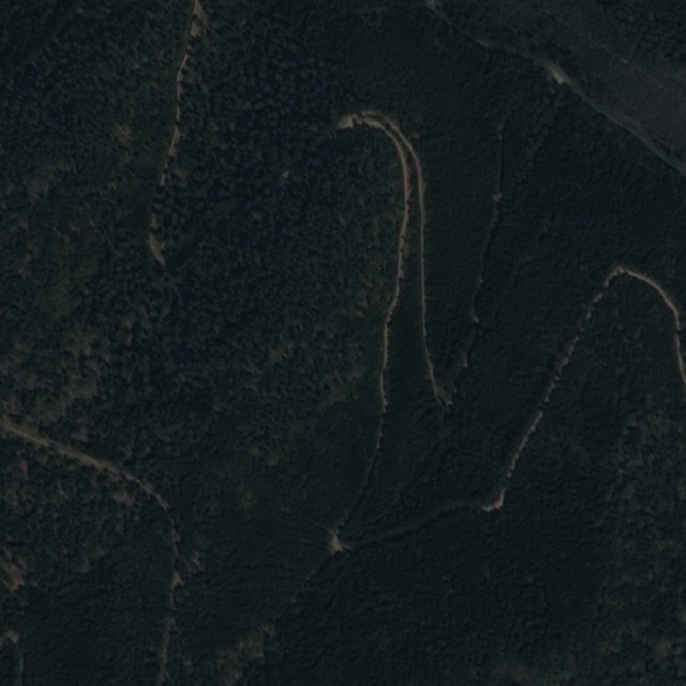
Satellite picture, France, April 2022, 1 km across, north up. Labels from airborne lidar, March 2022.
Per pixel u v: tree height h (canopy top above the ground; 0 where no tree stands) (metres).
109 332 13
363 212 26
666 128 9
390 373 13
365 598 15
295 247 29
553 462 6
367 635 15
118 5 9
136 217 11
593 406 10
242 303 12
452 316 18
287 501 19
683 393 7
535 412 9
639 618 17
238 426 14
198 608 19
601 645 13
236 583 20
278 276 23
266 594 21
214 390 10
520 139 20
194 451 18
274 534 19
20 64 20
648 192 15
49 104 29
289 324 29
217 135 8
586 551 13
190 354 7
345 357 24
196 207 24
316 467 11
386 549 12
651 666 31
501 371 11
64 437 23
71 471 24
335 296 24
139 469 24
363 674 17
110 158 22
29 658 16
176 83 7
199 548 17
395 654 14
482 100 15
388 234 28
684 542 11
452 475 21
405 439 18
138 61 26
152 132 9
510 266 14
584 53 11
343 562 21
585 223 12
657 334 10
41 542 26
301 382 25
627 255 9
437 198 10
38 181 24
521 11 7
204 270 30
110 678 12
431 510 20
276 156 33
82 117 25
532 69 13
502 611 15
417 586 17
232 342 26
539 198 19
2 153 31
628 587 16
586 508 10
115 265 32
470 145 11
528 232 10
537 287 12
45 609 16
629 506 16
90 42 11
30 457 7
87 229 7
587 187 13
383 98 6
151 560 8
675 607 21
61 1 8
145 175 8
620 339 11
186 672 15
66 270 13
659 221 17
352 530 20
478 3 23
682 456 31
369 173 27
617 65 13
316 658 20
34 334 15
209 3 11
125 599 17
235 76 41
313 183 7
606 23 12
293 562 20
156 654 10
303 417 22
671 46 36
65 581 20
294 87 28
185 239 24
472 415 25
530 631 11
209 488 17
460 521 13
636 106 10
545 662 16
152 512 15
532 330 7
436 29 21
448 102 9
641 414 6
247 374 10
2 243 12
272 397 22
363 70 10
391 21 20
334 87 27
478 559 14
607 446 12
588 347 7
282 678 18
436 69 8
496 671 18
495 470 15
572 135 18
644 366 9
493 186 15
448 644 17
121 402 22
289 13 14
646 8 30
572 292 6
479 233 21
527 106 20
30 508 25
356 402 7
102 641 11
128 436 10
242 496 16
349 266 24
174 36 23
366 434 16
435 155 13
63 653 11
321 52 22
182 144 11
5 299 17
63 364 26
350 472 15
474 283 15
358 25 19
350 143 10
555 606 19
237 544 23
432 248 9
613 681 23
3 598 29
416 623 14
